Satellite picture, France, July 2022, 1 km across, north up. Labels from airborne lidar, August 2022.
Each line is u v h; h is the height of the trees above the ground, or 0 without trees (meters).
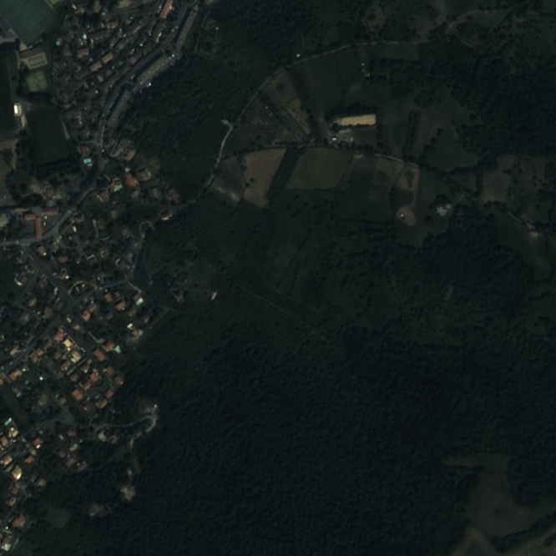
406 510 26
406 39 12
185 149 6
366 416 19
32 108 0
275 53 8
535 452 17
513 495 11
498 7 8
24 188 19
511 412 15
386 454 16
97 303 8
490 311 10
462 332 7
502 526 0
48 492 6
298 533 21
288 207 9
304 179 0
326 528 16
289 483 18
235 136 0
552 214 14
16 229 12
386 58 8
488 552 0
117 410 9
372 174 0
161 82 15
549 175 8
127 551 16
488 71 16
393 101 0
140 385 16
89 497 6
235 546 17
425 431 16
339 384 8
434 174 6
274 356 12
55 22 0
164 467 6
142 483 12
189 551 13
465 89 11
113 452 10
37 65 0
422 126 0
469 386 12
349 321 7
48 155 0
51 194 0
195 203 7
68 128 6
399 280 9
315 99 0
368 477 17
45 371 6
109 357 6
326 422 15
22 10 0
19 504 10
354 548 22
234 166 0
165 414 13
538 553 0
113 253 8
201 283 0
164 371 9
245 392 19
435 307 13
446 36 10
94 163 7
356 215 0
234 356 14
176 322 8
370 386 19
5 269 0
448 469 6
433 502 22
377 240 12
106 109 0
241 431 19
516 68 7
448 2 0
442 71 14
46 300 7
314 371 9
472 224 15
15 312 14
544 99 24
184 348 7
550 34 0
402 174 0
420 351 10
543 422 23
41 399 0
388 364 14
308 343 9
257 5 15
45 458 9
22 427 7
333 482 18
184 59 6
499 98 18
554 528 0
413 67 8
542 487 6
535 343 13
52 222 0
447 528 12
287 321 8
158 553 19
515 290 10
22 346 10
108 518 13
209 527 7
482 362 7
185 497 10
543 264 0
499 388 20
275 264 0
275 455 16
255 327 7
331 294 0
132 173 14
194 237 10
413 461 23
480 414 16
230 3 9
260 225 8
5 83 0
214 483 11
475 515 0
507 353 7
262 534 23
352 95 0
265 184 0
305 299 0
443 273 12
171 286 8
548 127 23
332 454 20
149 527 12
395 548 16
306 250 0
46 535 7
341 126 7
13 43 8
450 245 17
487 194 0
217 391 10
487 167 17
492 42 6
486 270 11
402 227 0
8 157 12
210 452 20
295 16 15
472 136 10
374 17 10
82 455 9
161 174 11
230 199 0
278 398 14
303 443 15
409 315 6
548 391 18
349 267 8
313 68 0
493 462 0
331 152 0
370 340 14
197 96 10
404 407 18
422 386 24
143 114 8
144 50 0
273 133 0
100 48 7
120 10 0
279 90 0
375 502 20
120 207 0
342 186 0
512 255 10
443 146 0
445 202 13
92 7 11
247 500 18
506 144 14
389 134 0
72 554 10
